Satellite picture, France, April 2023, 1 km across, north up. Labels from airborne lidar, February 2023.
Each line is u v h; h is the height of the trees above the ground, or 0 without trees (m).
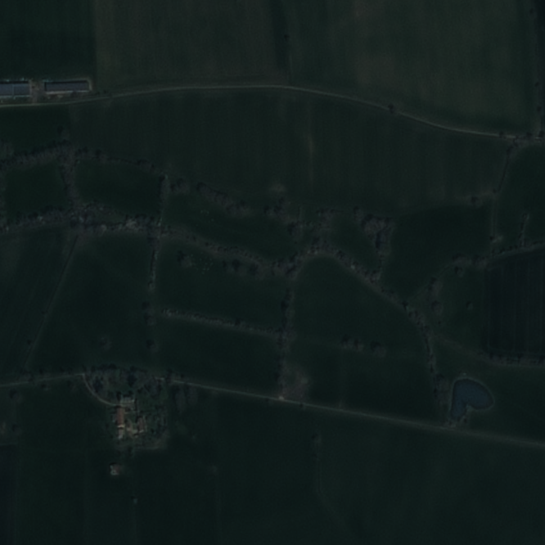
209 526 0
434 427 0
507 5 0
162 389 8
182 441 0
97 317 0
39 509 0
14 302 0
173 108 0
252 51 0
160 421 11
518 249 9
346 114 0
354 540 0
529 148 0
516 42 0
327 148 0
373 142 0
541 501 0
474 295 0
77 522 0
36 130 0
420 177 0
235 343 0
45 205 0
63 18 0
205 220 0
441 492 0
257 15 0
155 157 0
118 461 0
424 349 0
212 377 0
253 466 0
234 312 0
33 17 0
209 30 0
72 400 0
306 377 0
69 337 0
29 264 0
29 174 0
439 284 14
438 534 0
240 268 21
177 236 0
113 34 0
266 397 0
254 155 0
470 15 0
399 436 0
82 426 0
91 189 0
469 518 0
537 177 0
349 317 0
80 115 0
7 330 0
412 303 0
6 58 0
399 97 0
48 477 0
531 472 0
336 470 0
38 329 0
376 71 0
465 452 0
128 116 0
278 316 0
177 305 0
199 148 0
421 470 0
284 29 0
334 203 0
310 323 0
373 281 7
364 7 0
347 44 0
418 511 0
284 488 0
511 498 0
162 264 0
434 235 0
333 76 0
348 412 0
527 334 0
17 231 13
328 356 0
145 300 0
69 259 0
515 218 0
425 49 0
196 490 0
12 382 0
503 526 0
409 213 0
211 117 0
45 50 0
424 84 0
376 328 0
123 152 0
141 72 0
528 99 0
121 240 0
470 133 0
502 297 0
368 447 0
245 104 0
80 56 0
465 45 0
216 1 0
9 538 0
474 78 0
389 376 0
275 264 7
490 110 0
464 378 0
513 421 0
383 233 21
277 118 0
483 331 0
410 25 0
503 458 0
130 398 0
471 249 0
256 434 0
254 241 0
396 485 0
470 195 0
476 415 0
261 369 0
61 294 0
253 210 0
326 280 0
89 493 0
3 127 0
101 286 0
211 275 0
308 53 0
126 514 0
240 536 0
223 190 0
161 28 0
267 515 0
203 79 0
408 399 0
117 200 0
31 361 0
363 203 0
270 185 0
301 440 0
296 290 0
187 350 0
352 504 0
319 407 0
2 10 0
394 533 0
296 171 0
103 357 0
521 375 0
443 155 0
